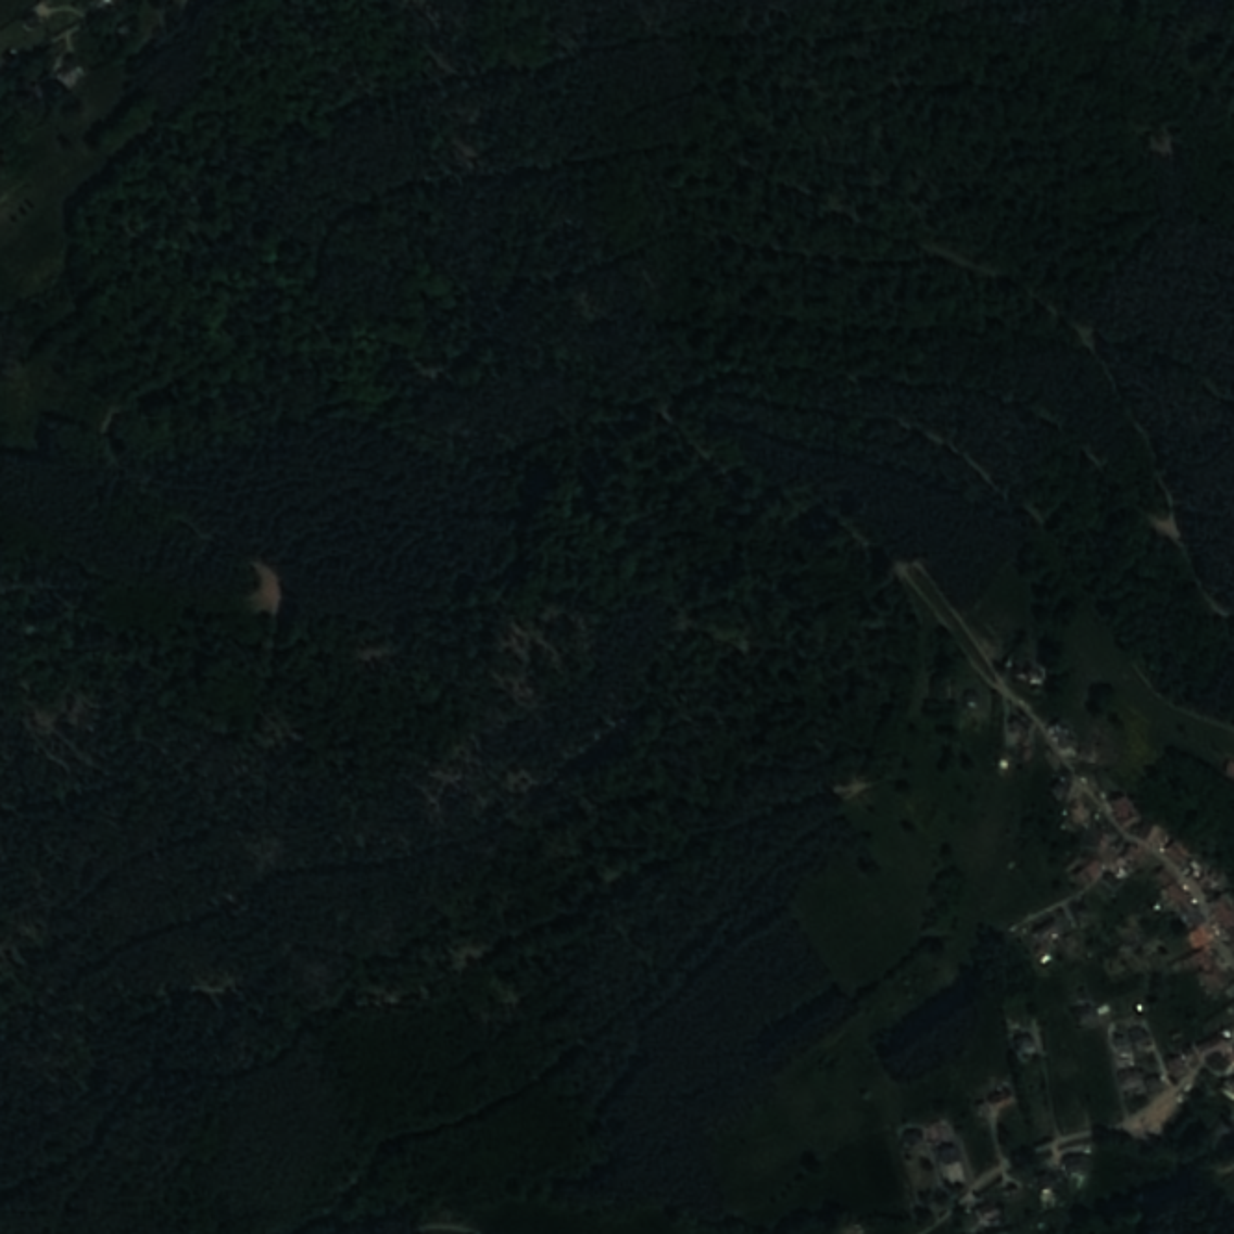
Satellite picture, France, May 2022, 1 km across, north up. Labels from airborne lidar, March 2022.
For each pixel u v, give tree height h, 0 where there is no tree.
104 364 21
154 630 9
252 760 28
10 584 16
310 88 30
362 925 22
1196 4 21
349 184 29
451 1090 11
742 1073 31
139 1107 30
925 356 18
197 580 19
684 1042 30
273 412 28
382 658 30
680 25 12
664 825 29
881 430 26
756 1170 0
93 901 29
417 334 23
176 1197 11
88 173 0
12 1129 27
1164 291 23
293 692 25
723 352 20
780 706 21
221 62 23
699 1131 29
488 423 22
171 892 25
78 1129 23
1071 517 20
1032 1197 0
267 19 25
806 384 19
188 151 22
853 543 12
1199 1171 26
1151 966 0
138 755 25
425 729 27
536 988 10
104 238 21
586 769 32
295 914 24
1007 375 19
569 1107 14
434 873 24
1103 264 24
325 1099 19
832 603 14
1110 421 21
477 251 34
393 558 28
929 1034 30
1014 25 24
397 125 27
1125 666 0
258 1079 17
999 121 20
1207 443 20
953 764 8
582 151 19
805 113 22
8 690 22
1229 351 20
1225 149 10
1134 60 18
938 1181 0
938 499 31
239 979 22
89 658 27
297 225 28
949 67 17
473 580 29
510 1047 10
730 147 12
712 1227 18
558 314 26
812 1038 26
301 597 25
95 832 23
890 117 18
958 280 25
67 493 21
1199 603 13
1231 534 28
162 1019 29
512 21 8
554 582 25
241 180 29
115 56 16
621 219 25
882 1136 0
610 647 28
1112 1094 0
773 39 19
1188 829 12
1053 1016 0
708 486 14
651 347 31
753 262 24
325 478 28
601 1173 26
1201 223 20
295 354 22
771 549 13
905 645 8
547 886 13
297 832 25
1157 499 16
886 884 0
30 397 0
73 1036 21
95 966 27
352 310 31
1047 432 21
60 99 15
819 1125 0
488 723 23
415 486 30
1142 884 0
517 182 25
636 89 19
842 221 18
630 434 26
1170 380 24
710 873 29
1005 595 0
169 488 25
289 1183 16
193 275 24
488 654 28
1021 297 26
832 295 29
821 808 29
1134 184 14
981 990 23
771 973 27
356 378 24
